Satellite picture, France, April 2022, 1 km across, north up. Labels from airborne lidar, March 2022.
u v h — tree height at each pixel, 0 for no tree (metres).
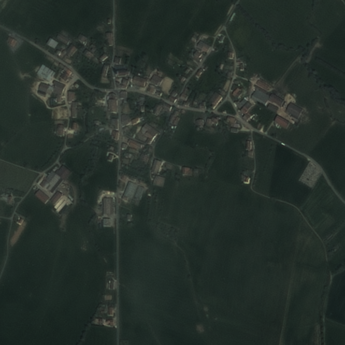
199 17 0
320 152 0
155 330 0
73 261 0
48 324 0
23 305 0
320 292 0
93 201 0
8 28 0
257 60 0
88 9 0
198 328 0
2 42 0
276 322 0
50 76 0
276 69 0
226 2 0
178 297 0
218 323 0
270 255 0
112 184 0
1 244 0
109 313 0
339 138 0
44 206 0
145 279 0
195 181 0
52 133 0
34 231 0
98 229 0
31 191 0
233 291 0
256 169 0
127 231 0
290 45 0
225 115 0
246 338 0
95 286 0
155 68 0
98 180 0
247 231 0
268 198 0
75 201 0
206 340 0
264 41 0
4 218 0
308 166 0
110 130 0
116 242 0
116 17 0
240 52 0
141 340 0
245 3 0
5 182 0
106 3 0
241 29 0
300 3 0
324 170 0
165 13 0
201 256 0
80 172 0
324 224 0
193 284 0
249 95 0
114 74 0
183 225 0
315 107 0
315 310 0
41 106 0
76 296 0
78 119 0
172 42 0
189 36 0
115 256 0
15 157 0
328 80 0
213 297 0
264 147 0
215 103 0
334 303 0
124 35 0
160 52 0
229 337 0
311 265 0
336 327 0
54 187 0
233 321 0
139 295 0
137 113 13
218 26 0
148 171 6
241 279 0
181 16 0
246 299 0
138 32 0
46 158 0
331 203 0
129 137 0
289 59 0
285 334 0
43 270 0
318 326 0
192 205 0
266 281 0
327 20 0
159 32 0
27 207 0
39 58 0
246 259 0
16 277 0
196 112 0
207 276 0
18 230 0
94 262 0
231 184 0
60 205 0
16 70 0
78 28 0
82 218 0
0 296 0
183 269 0
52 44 0
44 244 0
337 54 0
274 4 0
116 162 0
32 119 0
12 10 0
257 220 0
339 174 0
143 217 0
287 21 0
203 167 0
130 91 0
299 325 0
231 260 0
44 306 0
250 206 0
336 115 0
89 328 14
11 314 0
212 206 0
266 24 0
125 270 0
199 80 0
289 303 0
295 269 0
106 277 0
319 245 0
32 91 0
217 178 0
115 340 0
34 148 0
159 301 0
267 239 0
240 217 0
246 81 0
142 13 0
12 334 0
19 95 0
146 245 0
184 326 0
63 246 0
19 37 0
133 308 0
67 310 0
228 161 0
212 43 0
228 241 0
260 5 0
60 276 0
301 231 0
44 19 0
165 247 0
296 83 0
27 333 0
